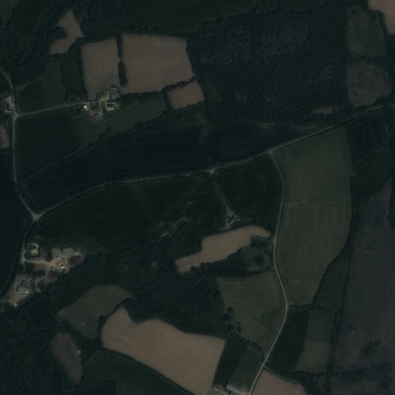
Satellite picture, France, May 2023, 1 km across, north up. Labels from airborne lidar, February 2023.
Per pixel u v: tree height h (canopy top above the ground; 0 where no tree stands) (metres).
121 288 0
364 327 0
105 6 17
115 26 18
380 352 0
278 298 0
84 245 0
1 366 19
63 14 10
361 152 0
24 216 0
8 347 10
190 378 0
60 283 13
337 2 14
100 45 0
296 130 0
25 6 0
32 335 11
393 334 0
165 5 0
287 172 0
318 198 0
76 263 0
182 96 0
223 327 0
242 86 10
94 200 0
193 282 9
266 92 13
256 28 12
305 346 0
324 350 0
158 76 0
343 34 12
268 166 0
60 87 0
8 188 0
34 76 15
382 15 7
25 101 0
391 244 0
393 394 0
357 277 0
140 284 0
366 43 0
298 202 0
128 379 0
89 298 0
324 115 12
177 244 0
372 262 0
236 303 0
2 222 0
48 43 15
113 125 0
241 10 0
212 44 11
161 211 0
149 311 13
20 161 0
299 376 12
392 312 0
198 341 0
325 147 0
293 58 13
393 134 8
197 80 9
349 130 7
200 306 0
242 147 0
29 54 8
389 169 0
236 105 18
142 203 0
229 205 7
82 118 0
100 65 0
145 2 0
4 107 0
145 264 12
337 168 0
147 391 0
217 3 0
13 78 13
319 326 0
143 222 0
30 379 21
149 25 0
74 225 0
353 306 0
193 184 0
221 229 0
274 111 14
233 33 11
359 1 11
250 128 0
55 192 0
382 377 0
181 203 0
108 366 0
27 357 0
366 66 0
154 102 0
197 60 9
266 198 0
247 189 0
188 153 0
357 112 11
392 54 12
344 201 0
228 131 0
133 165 0
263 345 0
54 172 0
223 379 0
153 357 0
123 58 0
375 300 0
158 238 0
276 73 12
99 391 11
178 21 0
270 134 0
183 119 0
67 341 0
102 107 0
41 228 0
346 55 13
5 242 0
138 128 9
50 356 12
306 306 7
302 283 0
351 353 0
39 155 0
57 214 0
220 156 0
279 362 0
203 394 0
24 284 0
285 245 0
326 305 0
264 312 0
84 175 0
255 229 0
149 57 0
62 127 0
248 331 0
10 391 19
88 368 9
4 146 0
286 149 0
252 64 9
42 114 0
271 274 0
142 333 0
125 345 0
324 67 14
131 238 0
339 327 9
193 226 0
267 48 14
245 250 0
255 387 0
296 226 0
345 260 0
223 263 6
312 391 10
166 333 0
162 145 0
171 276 12
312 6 7
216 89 10
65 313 0
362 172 0
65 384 15
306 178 0
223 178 0
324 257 0
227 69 10
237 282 0
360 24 0
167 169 0
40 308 0
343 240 0
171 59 0
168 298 6
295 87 7
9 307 0
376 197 0
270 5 0
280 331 0
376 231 0
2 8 0
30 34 19
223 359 0
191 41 13
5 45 15
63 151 0
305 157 0
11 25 15
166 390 0
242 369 0
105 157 0
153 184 0
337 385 0
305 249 0
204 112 0
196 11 0
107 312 0
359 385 0
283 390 0
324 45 16
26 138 0
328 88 8
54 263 0
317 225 0
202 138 0
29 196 0
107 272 0
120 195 0
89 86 0
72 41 0
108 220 0
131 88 0
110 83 0
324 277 6
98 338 6
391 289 0
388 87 0
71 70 0
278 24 12
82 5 18
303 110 13
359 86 0
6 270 0
